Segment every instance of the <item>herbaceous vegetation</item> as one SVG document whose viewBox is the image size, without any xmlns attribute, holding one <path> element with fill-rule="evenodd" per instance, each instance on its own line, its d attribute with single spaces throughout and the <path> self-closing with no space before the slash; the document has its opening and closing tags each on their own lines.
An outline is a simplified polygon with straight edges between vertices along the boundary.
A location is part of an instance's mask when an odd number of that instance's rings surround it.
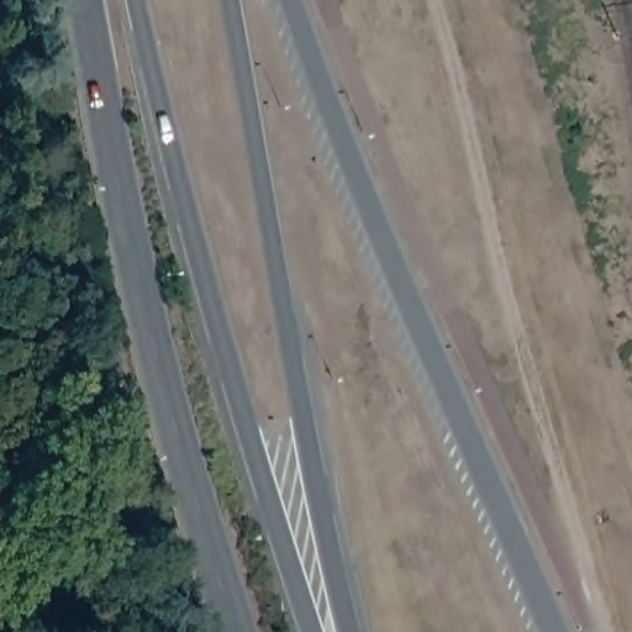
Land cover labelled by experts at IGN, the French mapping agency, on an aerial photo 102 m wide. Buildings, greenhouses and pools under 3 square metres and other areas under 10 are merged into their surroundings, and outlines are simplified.
<svg viewBox="0 0 632 632">
<path fill-rule="evenodd" d="M 286 375 L 281 365 L 279 333 L 272 309 L 262 232 L 252 193 L 249 160 L 232 81 L 220 0 L 146 0 L 173 109 L 165 119 L 170 121 L 173 141 L 183 148 L 193 195 L 200 212 L 202 235 L 225 301 L 227 323 L 235 338 L 247 388 L 252 393 L 257 430 L 264 422 L 291 420 L 291 407 L 286 397 Z"/>
<path fill-rule="evenodd" d="M 607 632 L 632 632 L 632 104 L 625 74 L 620 22 L 615 5 L 610 0 L 563 0 L 560 7 L 573 7 L 573 20 L 578 20 L 585 27 L 588 47 L 580 52 L 580 59 L 568 69 L 568 74 L 548 89 L 533 59 L 533 37 L 526 32 L 531 15 L 528 10 L 518 7 L 516 0 L 442 0 L 467 74 L 467 91 L 474 106 L 474 121 L 489 173 L 501 247 L 506 252 L 514 296 L 518 301 L 521 318 L 531 338 L 531 351 L 536 356 L 536 368 L 551 410 L 551 422 L 558 442 L 555 452 L 565 462 L 565 472 L 578 501 L 578 514 L 588 533 L 595 563 L 595 580 L 610 610 L 612 627 Z M 583 116 L 583 136 L 588 148 L 580 156 L 578 168 L 590 175 L 590 190 L 595 195 L 607 198 L 607 217 L 602 227 L 610 230 L 615 225 L 630 230 L 625 247 L 627 259 L 622 259 L 615 267 L 615 274 L 610 277 L 610 294 L 600 291 L 600 281 L 595 277 L 595 264 L 590 259 L 585 239 L 585 225 L 580 222 L 575 198 L 563 173 L 563 148 L 558 141 L 555 123 L 558 109 L 573 109 Z"/>
<path fill-rule="evenodd" d="M 77 279 L 86 281 L 91 279 L 84 262 L 69 264 L 64 257 L 57 254 L 52 259 L 57 269 L 62 269 L 62 274 L 74 274 Z"/>
<path fill-rule="evenodd" d="M 514 420 L 516 442 L 528 449 L 528 464 L 533 472 L 538 496 L 555 514 L 551 472 L 541 452 L 541 435 L 536 430 L 531 407 L 521 388 L 516 358 L 504 326 L 504 309 L 494 291 L 486 242 L 481 232 L 481 215 L 476 210 L 459 119 L 449 91 L 449 74 L 432 20 L 427 17 L 427 0 L 333 0 L 341 10 L 348 35 L 356 37 L 363 79 L 373 96 L 378 119 L 385 126 L 397 168 L 410 190 L 410 200 L 430 237 L 432 252 L 442 264 L 449 294 L 457 299 L 462 314 L 469 316 L 481 331 L 481 346 L 476 346 L 479 365 L 494 378 L 494 393 Z"/>
<path fill-rule="evenodd" d="M 133 20 L 128 0 L 101 0 L 116 81 L 119 86 L 131 91 L 131 101 L 143 101 L 148 99 L 148 94 L 143 69 L 133 59 Z"/>
<path fill-rule="evenodd" d="M 205 326 L 205 316 L 198 301 L 190 309 L 180 309 L 178 304 L 165 301 L 168 328 L 173 336 L 175 358 L 185 388 L 202 373 L 210 373 L 202 346 L 210 343 L 210 331 Z"/>
<path fill-rule="evenodd" d="M 151 536 L 151 528 L 175 531 L 175 521 L 163 518 L 160 511 L 151 506 L 131 506 L 121 511 L 121 526 L 128 536 Z"/>
<path fill-rule="evenodd" d="M 42 620 L 52 615 L 52 620 L 57 620 L 57 627 L 52 632 L 109 632 L 84 597 L 54 588 L 52 600 L 47 605 L 37 605 L 35 610 Z"/>
<path fill-rule="evenodd" d="M 286 257 L 286 272 L 291 289 L 294 294 L 299 294 L 299 301 L 316 338 L 316 365 L 328 420 L 326 430 L 333 457 L 336 501 L 346 541 L 351 548 L 351 558 L 358 565 L 363 597 L 368 602 L 368 617 L 375 632 L 526 632 L 521 627 L 521 615 L 516 610 L 501 610 L 494 602 L 489 585 L 484 580 L 481 560 L 472 551 L 472 541 L 467 536 L 467 528 L 476 523 L 476 516 L 467 499 L 467 491 L 462 489 L 462 481 L 454 476 L 454 467 L 449 464 L 449 454 L 444 452 L 444 447 L 430 454 L 430 442 L 410 402 L 407 385 L 400 380 L 397 368 L 390 363 L 390 353 L 400 346 L 400 336 L 378 316 L 380 294 L 375 291 L 375 277 L 370 277 L 368 272 L 368 262 L 363 262 L 363 249 L 358 249 L 358 242 L 348 242 L 343 205 L 338 205 L 338 190 L 333 190 L 333 173 L 328 173 L 326 160 L 316 160 L 318 151 L 314 138 L 316 128 L 323 126 L 323 121 L 316 114 L 316 101 L 309 91 L 309 84 L 304 81 L 304 69 L 296 64 L 299 57 L 291 35 L 286 32 L 286 20 L 281 15 L 279 0 L 239 0 L 264 151 Z"/>
</svg>

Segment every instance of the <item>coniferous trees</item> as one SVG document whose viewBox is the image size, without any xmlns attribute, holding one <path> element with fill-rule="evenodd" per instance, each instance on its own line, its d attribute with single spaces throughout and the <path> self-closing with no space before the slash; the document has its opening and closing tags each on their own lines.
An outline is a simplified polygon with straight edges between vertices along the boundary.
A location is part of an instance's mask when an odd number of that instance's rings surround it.
<svg viewBox="0 0 632 632">
<path fill-rule="evenodd" d="M 86 89 L 81 81 L 79 44 L 74 35 L 74 15 L 84 7 L 84 0 L 35 0 L 35 12 L 42 22 L 44 52 L 52 67 L 42 69 L 37 59 L 25 59 L 22 64 L 15 64 L 10 79 L 20 84 L 30 99 L 49 89 L 59 89 L 62 84 L 77 86 L 77 94 Z"/>
</svg>

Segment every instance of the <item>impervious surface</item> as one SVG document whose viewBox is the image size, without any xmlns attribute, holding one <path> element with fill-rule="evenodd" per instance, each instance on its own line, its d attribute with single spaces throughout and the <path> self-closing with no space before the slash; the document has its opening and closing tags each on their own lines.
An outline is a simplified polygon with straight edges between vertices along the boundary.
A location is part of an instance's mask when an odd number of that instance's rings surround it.
<svg viewBox="0 0 632 632">
<path fill-rule="evenodd" d="M 119 86 L 116 81 L 101 0 L 84 0 L 84 7 L 74 15 L 74 35 L 79 44 L 81 81 L 86 89 L 77 94 L 69 116 L 77 123 L 79 143 L 91 168 L 96 205 L 109 227 L 106 254 L 111 262 L 114 289 L 126 318 L 126 331 L 131 336 L 128 351 L 119 353 L 119 370 L 133 373 L 141 393 L 151 395 L 156 420 L 151 422 L 148 437 L 156 447 L 165 481 L 173 486 L 173 494 L 180 496 L 180 506 L 173 511 L 175 521 L 175 531 L 180 538 L 193 541 L 193 546 L 200 548 L 200 570 L 195 575 L 202 602 L 200 610 L 222 610 L 230 632 L 254 632 L 259 607 L 252 590 L 247 588 L 247 568 L 237 551 L 237 528 L 232 526 L 232 521 L 227 511 L 220 514 L 217 509 L 217 499 L 210 484 L 212 457 L 202 454 L 202 444 L 195 435 L 195 420 L 190 415 L 190 405 L 185 397 L 185 388 L 175 358 L 173 336 L 168 328 L 165 301 L 165 291 L 160 291 L 156 281 L 153 237 L 143 207 L 143 178 L 136 168 L 133 148 L 128 146 L 128 133 L 133 138 L 143 138 L 165 227 L 170 227 L 168 237 L 170 252 L 178 262 L 178 277 L 195 281 L 198 301 L 205 316 L 205 326 L 210 331 L 210 343 L 202 346 L 210 373 L 230 449 L 239 479 L 244 481 L 244 491 L 249 496 L 247 516 L 259 521 L 259 536 L 262 541 L 267 541 L 267 558 L 269 568 L 274 570 L 274 593 L 281 600 L 281 612 L 286 615 L 286 625 L 291 632 L 375 632 L 368 617 L 368 602 L 363 597 L 358 565 L 351 558 L 351 548 L 346 541 L 336 501 L 333 457 L 326 430 L 328 420 L 316 365 L 316 338 L 299 301 L 299 294 L 294 294 L 291 289 L 286 272 L 286 257 L 264 151 L 239 0 L 220 0 L 232 81 L 249 160 L 252 193 L 262 232 L 272 309 L 279 333 L 281 365 L 286 375 L 286 397 L 291 407 L 291 420 L 264 422 L 257 430 L 252 393 L 247 388 L 235 338 L 227 323 L 225 301 L 202 235 L 200 212 L 193 195 L 183 148 L 173 141 L 170 121 L 165 119 L 173 109 L 146 0 L 128 0 L 133 20 L 133 59 L 143 69 L 148 94 L 148 99 L 143 101 L 131 101 L 131 91 Z"/>
<path fill-rule="evenodd" d="M 565 523 L 555 514 L 538 496 L 533 472 L 528 464 L 528 449 L 516 442 L 514 420 L 494 393 L 494 378 L 479 365 L 476 346 L 481 346 L 481 331 L 469 316 L 462 314 L 457 299 L 449 294 L 442 264 L 432 252 L 430 237 L 410 200 L 410 190 L 397 168 L 385 126 L 378 119 L 373 96 L 363 79 L 356 37 L 348 35 L 341 10 L 333 0 L 279 0 L 281 15 L 286 20 L 286 32 L 291 35 L 299 57 L 296 64 L 304 69 L 304 81 L 309 84 L 309 91 L 316 101 L 316 114 L 323 121 L 323 126 L 316 128 L 314 138 L 318 151 L 316 160 L 326 160 L 328 173 L 333 173 L 333 190 L 338 190 L 338 205 L 343 205 L 348 242 L 358 242 L 358 249 L 363 249 L 363 262 L 368 262 L 368 272 L 370 277 L 375 277 L 375 291 L 380 294 L 378 316 L 400 336 L 400 346 L 390 353 L 390 363 L 397 368 L 400 380 L 407 385 L 410 402 L 430 442 L 430 454 L 444 447 L 444 452 L 449 454 L 449 464 L 454 467 L 454 476 L 462 481 L 462 489 L 467 491 L 467 499 L 476 516 L 476 523 L 467 528 L 467 536 L 472 541 L 472 551 L 481 560 L 484 580 L 489 585 L 494 602 L 501 610 L 516 610 L 521 615 L 521 627 L 526 632 L 600 632 L 585 602 L 570 551 L 565 546 Z"/>
</svg>

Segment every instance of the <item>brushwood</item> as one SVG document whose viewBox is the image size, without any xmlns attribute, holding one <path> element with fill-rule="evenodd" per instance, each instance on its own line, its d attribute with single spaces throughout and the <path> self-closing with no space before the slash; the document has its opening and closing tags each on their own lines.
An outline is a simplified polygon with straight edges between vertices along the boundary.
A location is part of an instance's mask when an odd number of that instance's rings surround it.
<svg viewBox="0 0 632 632">
<path fill-rule="evenodd" d="M 153 237 L 158 230 L 165 227 L 143 138 L 133 138 L 128 133 L 128 146 L 133 148 L 136 168 L 143 178 L 143 207 Z"/>
<path fill-rule="evenodd" d="M 185 397 L 190 405 L 190 415 L 195 420 L 195 435 L 202 444 L 202 454 L 212 457 L 210 484 L 217 499 L 217 509 L 220 514 L 227 511 L 232 521 L 235 516 L 247 516 L 249 496 L 244 491 L 244 481 L 239 479 L 230 449 L 210 373 L 202 373 L 185 388 Z"/>
<path fill-rule="evenodd" d="M 615 274 L 615 267 L 622 259 L 627 259 L 625 247 L 630 230 L 615 225 L 610 230 L 602 227 L 607 217 L 607 198 L 595 195 L 590 190 L 590 175 L 578 168 L 580 156 L 588 148 L 583 136 L 583 116 L 573 109 L 558 109 L 555 123 L 558 141 L 563 148 L 563 173 L 575 198 L 580 222 L 585 225 L 585 239 L 590 259 L 595 264 L 595 277 L 600 281 L 600 291 L 610 294 L 610 277 Z"/>
<path fill-rule="evenodd" d="M 585 27 L 578 20 L 573 20 L 573 7 L 560 7 L 563 0 L 516 0 L 518 7 L 528 10 L 531 15 L 526 32 L 533 37 L 533 59 L 548 89 L 568 74 L 568 69 L 580 59 L 580 52 L 588 47 Z"/>
</svg>

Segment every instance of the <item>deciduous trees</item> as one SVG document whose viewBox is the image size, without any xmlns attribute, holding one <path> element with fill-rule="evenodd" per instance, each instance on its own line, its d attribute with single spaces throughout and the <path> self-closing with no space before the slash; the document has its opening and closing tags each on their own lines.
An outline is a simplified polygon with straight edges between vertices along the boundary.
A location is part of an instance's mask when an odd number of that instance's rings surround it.
<svg viewBox="0 0 632 632">
<path fill-rule="evenodd" d="M 281 612 L 281 600 L 274 593 L 274 570 L 269 568 L 267 558 L 267 541 L 262 541 L 259 536 L 259 521 L 247 516 L 235 516 L 232 521 L 232 526 L 237 528 L 237 551 L 247 568 L 247 588 L 252 590 L 259 607 L 254 632 L 291 632 L 286 625 L 286 615 Z"/>
<path fill-rule="evenodd" d="M 35 610 L 37 605 L 47 605 L 52 600 L 54 588 L 84 597 L 109 632 L 230 632 L 222 610 L 200 610 L 202 602 L 195 575 L 200 570 L 200 548 L 193 546 L 193 541 L 180 538 L 175 531 L 151 528 L 151 536 L 128 536 L 121 526 L 121 511 L 131 506 L 151 506 L 160 511 L 163 518 L 175 521 L 173 511 L 180 506 L 180 496 L 173 494 L 173 486 L 165 481 L 156 447 L 148 437 L 151 422 L 156 420 L 151 395 L 141 393 L 133 373 L 119 370 L 119 353 L 128 351 L 131 336 L 126 331 L 126 318 L 114 289 L 111 262 L 106 254 L 109 227 L 96 205 L 91 168 L 79 143 L 77 123 L 69 116 L 77 94 L 77 86 L 62 84 L 59 89 L 49 89 L 30 99 L 20 84 L 10 79 L 15 64 L 22 64 L 25 59 L 37 59 L 42 69 L 52 67 L 44 52 L 42 22 L 35 12 L 35 0 L 0 0 L 0 632 L 52 632 L 57 627 L 57 620 L 52 620 L 52 615 L 42 620 Z M 57 269 L 52 259 L 57 254 L 64 257 L 69 264 L 84 262 L 91 279 L 86 281 L 77 279 L 74 274 L 62 274 L 62 269 Z"/>
<path fill-rule="evenodd" d="M 156 281 L 160 291 L 165 291 L 165 301 L 178 304 L 180 309 L 190 309 L 198 301 L 195 281 L 178 277 L 178 262 L 170 252 L 168 237 L 170 227 L 165 227 L 158 230 L 153 237 Z"/>
</svg>

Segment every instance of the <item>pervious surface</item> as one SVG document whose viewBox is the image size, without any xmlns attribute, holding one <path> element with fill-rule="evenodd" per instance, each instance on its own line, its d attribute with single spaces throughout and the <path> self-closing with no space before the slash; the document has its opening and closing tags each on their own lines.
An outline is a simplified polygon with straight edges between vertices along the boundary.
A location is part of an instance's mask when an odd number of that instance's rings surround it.
<svg viewBox="0 0 632 632">
<path fill-rule="evenodd" d="M 610 0 L 615 5 L 620 22 L 625 74 L 632 104 L 632 0 Z"/>
<path fill-rule="evenodd" d="M 610 610 L 595 580 L 595 563 L 588 533 L 578 514 L 578 501 L 565 472 L 565 462 L 555 452 L 558 442 L 551 422 L 551 410 L 536 368 L 536 356 L 531 351 L 531 338 L 521 318 L 518 301 L 514 296 L 506 252 L 501 247 L 489 173 L 474 121 L 474 106 L 467 91 L 467 74 L 442 0 L 427 0 L 427 17 L 432 20 L 449 74 L 449 91 L 459 119 L 476 210 L 481 215 L 481 232 L 486 242 L 494 291 L 504 309 L 504 326 L 516 358 L 521 388 L 531 407 L 536 430 L 541 435 L 541 452 L 551 472 L 555 514 L 565 523 L 565 546 L 570 551 L 585 602 L 600 632 L 607 632 L 612 627 Z"/>
</svg>

